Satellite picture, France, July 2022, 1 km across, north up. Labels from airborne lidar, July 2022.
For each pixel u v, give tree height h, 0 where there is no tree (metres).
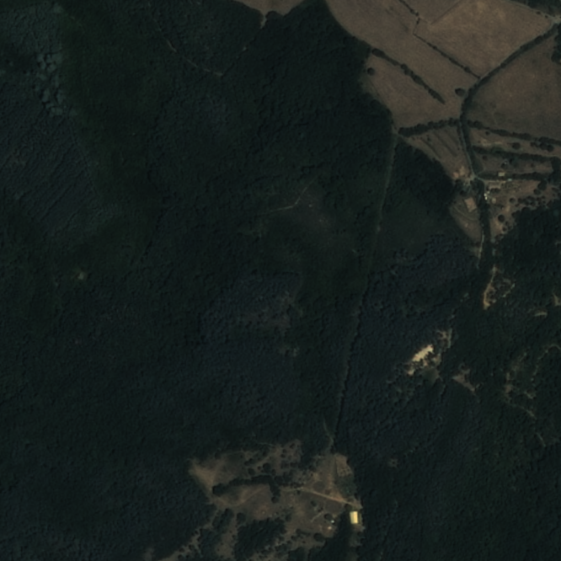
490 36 0
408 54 0
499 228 0
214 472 0
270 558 0
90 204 14
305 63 14
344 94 13
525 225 11
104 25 6
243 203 17
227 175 13
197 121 13
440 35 0
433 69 0
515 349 6
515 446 14
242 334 13
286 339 12
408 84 0
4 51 7
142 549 6
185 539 9
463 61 0
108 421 23
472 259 17
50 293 9
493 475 19
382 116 8
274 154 9
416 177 14
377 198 6
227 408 15
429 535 13
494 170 0
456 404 13
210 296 13
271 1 0
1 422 20
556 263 15
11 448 19
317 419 11
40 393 23
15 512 25
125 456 21
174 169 23
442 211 9
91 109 7
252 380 17
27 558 7
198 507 17
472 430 19
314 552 11
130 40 8
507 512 12
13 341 16
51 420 21
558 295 12
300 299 7
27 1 14
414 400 15
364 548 15
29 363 16
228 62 11
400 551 10
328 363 21
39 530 16
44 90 7
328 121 22
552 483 10
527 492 21
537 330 14
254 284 20
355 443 16
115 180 12
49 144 7
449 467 18
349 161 17
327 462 0
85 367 20
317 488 0
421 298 12
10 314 14
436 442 14
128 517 17
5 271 25
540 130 0
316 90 18
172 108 19
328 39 10
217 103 12
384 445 20
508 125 0
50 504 19
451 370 10
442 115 0
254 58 15
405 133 12
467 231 0
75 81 7
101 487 21
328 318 19
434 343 9
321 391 22
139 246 6
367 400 10
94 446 25
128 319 15
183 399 22
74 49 5
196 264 14
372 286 7
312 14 9
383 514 18
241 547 8
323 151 18
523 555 16
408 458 8
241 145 15
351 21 0
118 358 20
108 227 11
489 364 18
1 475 23
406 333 16
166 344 21
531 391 9
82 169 12
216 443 9
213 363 19
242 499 0
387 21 0
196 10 9
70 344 20
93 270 7
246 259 10
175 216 23
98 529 15
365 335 20
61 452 22
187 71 18
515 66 0
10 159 10
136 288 17
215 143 20
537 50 0
